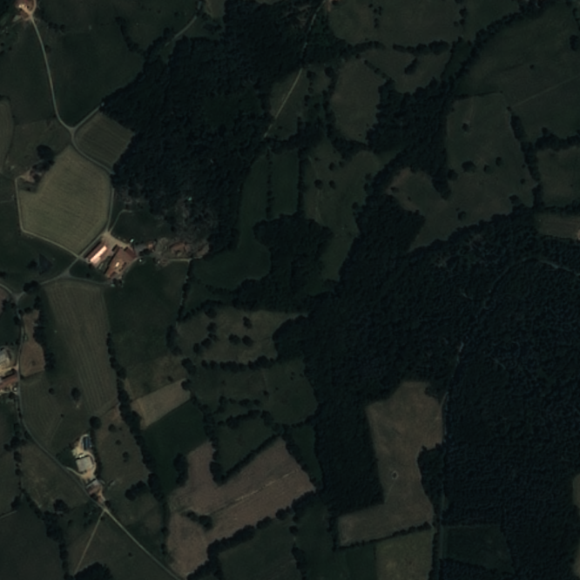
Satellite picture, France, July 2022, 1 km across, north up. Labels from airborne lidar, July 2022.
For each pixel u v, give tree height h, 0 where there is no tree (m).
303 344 23
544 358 16
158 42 11
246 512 0
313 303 22
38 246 0
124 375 17
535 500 17
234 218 24
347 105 0
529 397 29
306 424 11
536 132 0
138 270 0
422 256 20
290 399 0
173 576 0
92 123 0
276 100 0
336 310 21
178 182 25
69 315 0
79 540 0
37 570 0
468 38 0
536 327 11
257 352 0
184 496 0
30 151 0
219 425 8
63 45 0
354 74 0
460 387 20
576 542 14
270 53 21
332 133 18
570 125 0
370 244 18
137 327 0
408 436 0
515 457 15
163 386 0
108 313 0
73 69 0
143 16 0
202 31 0
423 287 16
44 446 0
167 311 0
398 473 0
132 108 21
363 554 0
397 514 0
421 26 0
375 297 21
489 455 14
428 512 0
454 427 22
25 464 0
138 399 0
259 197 0
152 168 17
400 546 0
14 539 0
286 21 9
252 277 0
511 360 25
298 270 21
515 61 0
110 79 0
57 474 0
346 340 19
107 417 0
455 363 0
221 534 0
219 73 22
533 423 21
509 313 21
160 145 22
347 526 0
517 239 8
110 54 0
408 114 25
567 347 18
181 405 0
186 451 0
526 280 8
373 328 23
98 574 22
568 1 8
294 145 14
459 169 0
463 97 10
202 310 13
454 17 0
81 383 0
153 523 0
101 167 0
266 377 0
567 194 0
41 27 0
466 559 0
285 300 9
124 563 0
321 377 25
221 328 0
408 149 20
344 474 21
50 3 0
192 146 26
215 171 27
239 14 13
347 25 0
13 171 0
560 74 0
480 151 0
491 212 0
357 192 0
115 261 0
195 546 0
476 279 16
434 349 27
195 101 24
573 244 17
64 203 0
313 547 0
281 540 0
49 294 0
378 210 19
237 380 0
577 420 29
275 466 0
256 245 0
